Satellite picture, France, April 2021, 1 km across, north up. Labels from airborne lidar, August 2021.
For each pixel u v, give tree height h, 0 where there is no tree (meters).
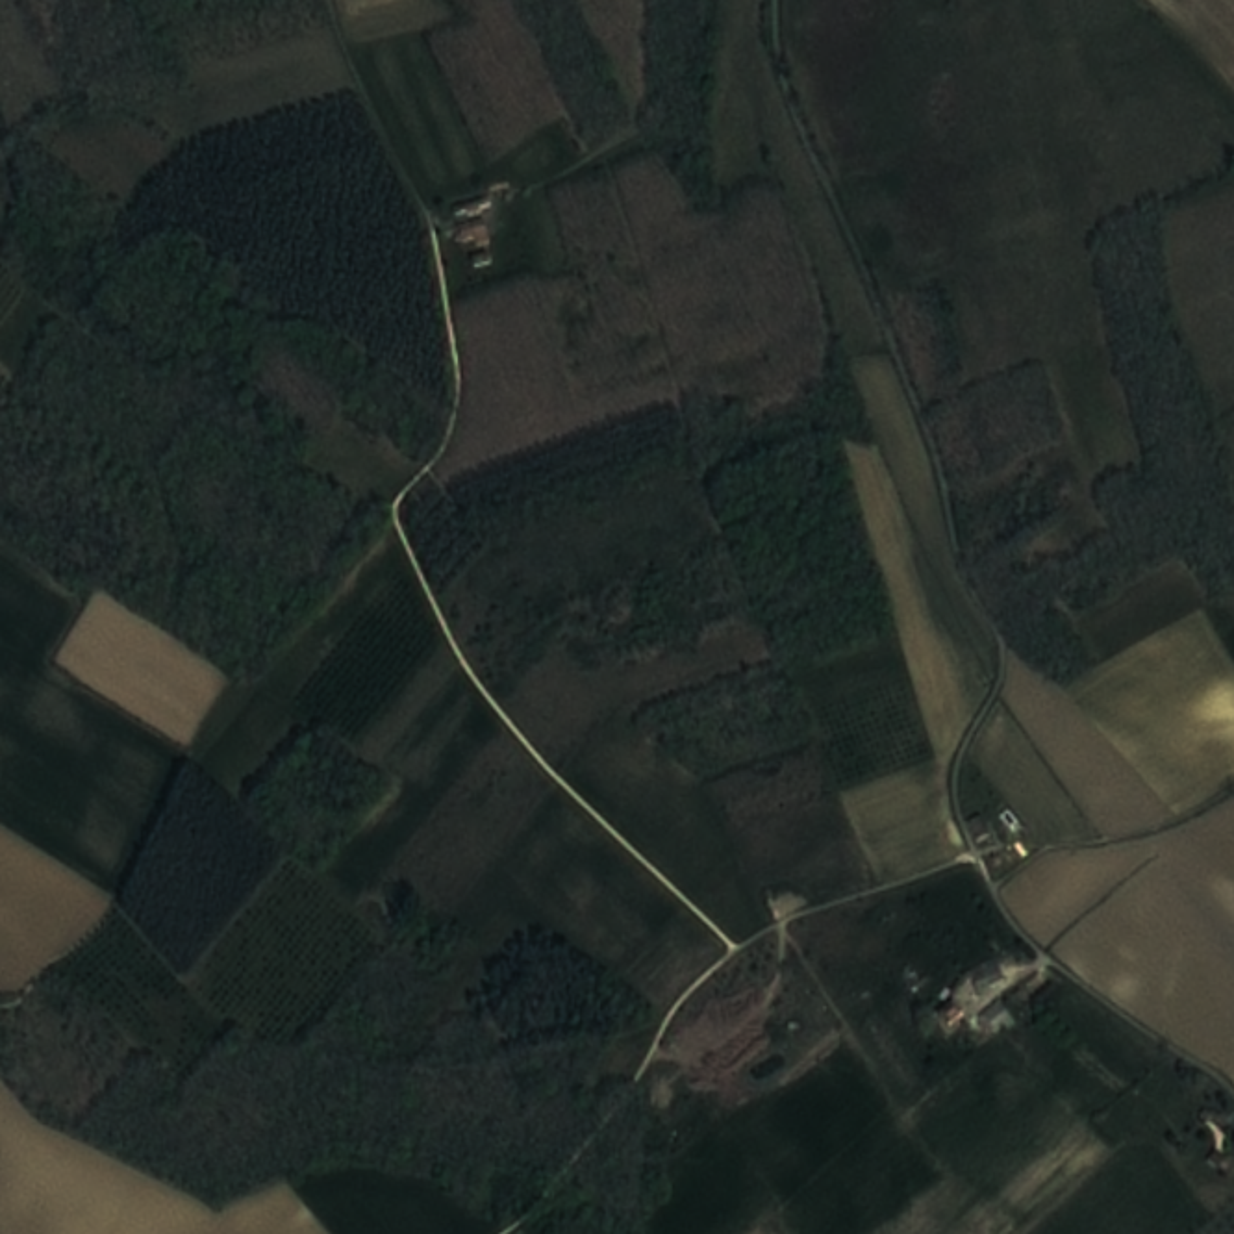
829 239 0
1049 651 19
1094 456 0
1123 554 13
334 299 17
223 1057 18
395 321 14
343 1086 20
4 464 10
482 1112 20
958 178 0
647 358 11
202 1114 19
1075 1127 0
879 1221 0
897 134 0
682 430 17
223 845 18
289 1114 20
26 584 0
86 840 0
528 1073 20
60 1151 0
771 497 19
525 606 7
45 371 13
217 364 17
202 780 17
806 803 6
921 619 0
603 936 0
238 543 20
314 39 0
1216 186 12
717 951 0
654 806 0
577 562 12
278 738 0
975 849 0
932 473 0
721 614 6
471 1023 13
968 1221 0
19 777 0
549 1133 21
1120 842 0
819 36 0
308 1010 5
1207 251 0
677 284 19
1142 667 0
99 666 0
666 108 19
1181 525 17
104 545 11
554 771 0
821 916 0
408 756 0
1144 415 15
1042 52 0
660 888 0
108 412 15
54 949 0
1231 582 15
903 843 0
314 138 11
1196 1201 0
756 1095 0
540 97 17
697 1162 0
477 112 14
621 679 0
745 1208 0
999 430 11
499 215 0
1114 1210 0
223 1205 17
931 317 10
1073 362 0
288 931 5
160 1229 0
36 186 21
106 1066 12
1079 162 0
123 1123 18
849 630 22
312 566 18
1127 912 0
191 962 15
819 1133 0
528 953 19
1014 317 0
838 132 0
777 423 15
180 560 13
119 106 11
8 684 0
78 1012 10
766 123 0
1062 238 0
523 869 0
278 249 16
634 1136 22
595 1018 13
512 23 18
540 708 0
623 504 8
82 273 11
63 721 0
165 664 0
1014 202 0
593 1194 22
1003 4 0
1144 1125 0
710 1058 0
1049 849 0
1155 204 16
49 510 13
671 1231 0
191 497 18
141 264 23
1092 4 0
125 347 24
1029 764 0
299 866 14
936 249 0
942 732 0
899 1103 0
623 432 17
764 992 0
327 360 22
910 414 0
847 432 10
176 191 11
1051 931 0
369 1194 0
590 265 10
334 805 19
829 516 19
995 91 0
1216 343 0
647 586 8
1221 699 0
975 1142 0
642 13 18
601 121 18
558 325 12
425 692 0
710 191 21
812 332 21
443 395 12
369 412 20
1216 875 0
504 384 17
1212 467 15
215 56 7
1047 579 18
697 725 19
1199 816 0
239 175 13
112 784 0
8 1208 0
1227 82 0
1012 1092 0
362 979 13
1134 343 18
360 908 0
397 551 0
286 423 21
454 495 16
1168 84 0
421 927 15
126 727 0
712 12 16
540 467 17
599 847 0
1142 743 0
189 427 20
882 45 0
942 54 0
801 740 16
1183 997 0
